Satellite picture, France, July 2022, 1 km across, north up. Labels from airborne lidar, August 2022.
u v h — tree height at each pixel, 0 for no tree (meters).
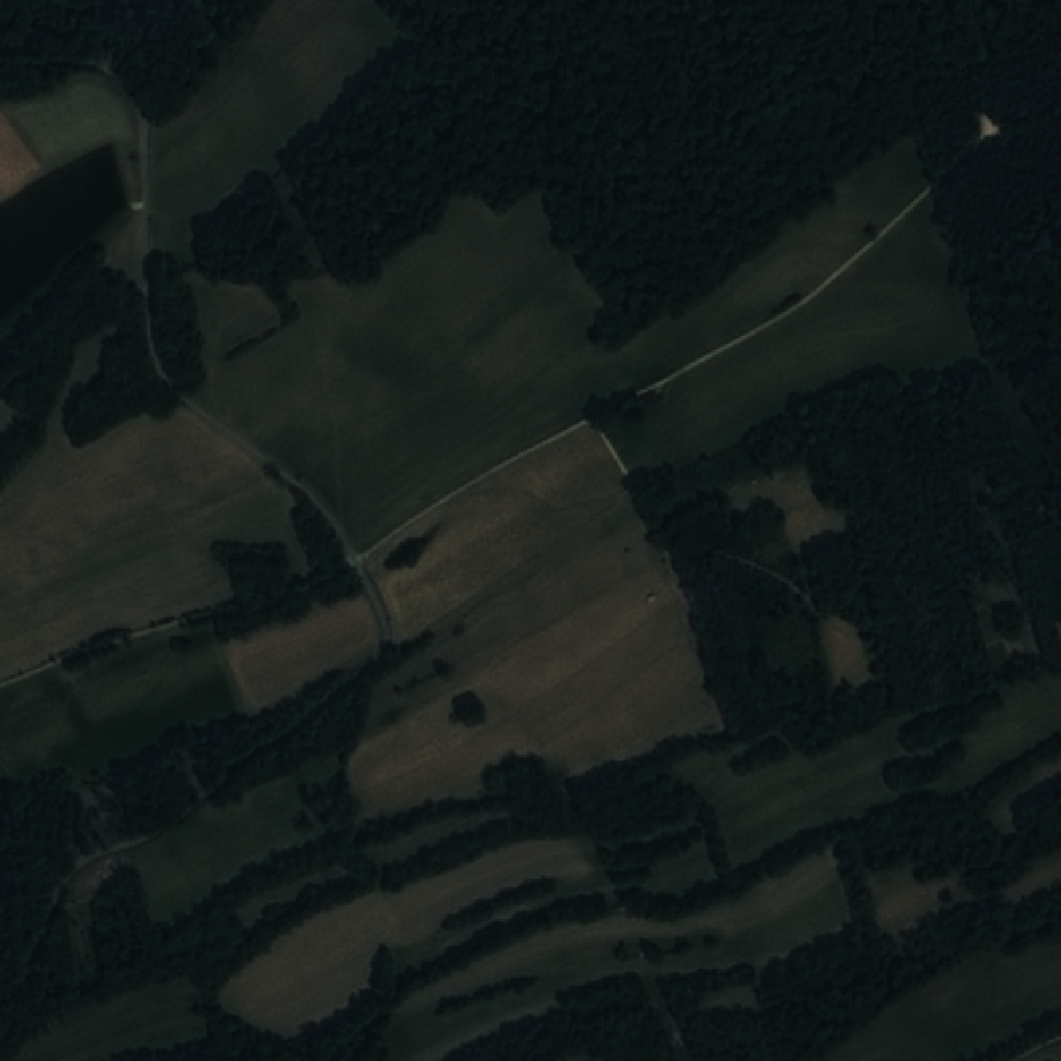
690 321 0
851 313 0
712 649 16
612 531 0
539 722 0
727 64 21
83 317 20
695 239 26
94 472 0
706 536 13
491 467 0
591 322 0
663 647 0
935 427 14
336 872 0
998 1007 0
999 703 14
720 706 10
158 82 32
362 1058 24
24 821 26
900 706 16
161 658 0
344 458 0
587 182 22
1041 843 14
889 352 0
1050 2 27
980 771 0
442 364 0
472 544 0
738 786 0
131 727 0
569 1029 18
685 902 7
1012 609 16
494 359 0
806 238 0
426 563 0
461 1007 10
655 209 14
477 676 0
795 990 13
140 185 0
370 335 0
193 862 0
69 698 0
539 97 22
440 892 0
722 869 16
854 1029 14
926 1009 0
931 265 0
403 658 13
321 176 20
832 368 0
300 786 0
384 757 0
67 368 18
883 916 0
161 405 20
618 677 0
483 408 0
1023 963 0
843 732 16
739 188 21
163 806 24
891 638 20
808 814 0
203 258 20
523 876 0
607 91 25
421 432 0
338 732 17
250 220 14
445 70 17
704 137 23
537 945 0
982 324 20
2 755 0
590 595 0
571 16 19
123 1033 0
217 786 24
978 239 22
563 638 0
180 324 23
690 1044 18
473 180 20
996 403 31
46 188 0
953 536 21
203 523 0
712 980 12
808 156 22
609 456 0
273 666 0
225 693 0
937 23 26
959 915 14
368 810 0
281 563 20
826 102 24
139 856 0
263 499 0
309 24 0
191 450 0
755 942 0
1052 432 29
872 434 28
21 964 24
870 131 19
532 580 0
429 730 0
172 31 40
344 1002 0
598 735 0
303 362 0
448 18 20
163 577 0
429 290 0
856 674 0
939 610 18
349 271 19
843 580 26
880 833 13
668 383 0
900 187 0
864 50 27
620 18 16
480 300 0
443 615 0
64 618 0
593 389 0
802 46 20
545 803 21
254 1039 21
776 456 23
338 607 0
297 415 0
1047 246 10
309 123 0
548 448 0
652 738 0
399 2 12
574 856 0
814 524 0
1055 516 14
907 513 21
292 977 0
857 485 21
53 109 0
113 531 0
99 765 0
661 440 0
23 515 0
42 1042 0
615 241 16
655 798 19
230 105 0
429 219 19
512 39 25
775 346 0
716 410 0
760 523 19
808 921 0
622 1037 25
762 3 28
